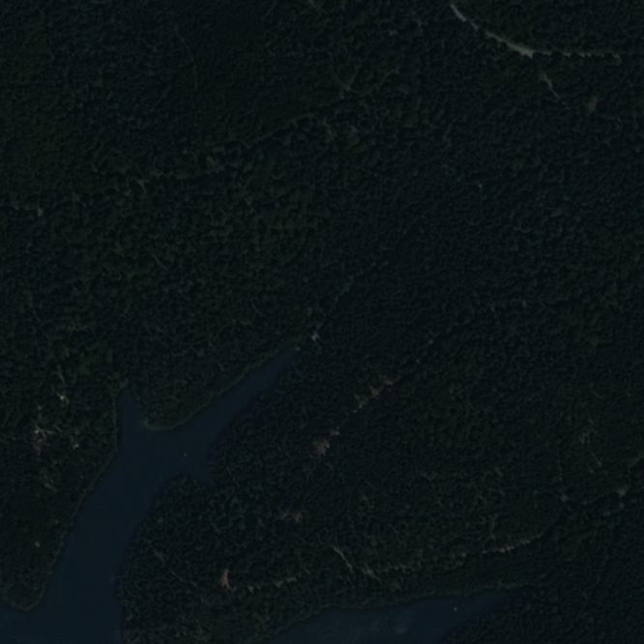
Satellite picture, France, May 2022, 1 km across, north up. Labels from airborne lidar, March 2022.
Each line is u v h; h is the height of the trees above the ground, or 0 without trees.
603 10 32
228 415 0
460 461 18
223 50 15
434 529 15
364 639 0
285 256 24
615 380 16
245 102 13
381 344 23
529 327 10
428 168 28
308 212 23
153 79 12
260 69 17
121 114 20
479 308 27
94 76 23
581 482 13
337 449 21
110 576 0
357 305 29
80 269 26
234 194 29
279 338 19
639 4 25
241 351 24
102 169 16
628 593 18
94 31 30
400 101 34
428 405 22
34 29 17
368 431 25
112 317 33
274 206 27
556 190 28
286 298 28
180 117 15
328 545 13
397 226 28
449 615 0
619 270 27
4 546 13
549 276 29
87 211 24
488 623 25
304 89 16
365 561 15
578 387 24
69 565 0
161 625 23
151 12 26
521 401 27
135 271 32
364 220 28
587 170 30
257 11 13
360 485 20
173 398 22
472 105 30
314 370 22
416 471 16
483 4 14
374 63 24
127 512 0
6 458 14
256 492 25
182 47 11
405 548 9
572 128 13
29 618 0
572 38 14
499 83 12
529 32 9
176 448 0
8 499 8
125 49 35
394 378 26
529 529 11
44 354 28
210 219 31
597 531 22
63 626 0
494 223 24
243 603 18
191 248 14
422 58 31
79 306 27
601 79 29
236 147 15
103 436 23
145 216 25
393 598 17
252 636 7
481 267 18
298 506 24
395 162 28
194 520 23
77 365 30
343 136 25
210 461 16
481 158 24
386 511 11
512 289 24
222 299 10
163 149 14
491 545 13
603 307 27
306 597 22
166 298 18
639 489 16
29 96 22
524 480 16
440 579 13
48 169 20
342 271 26
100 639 0
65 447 17
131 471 0
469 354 19
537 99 16
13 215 25
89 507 0
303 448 21
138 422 0
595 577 22
